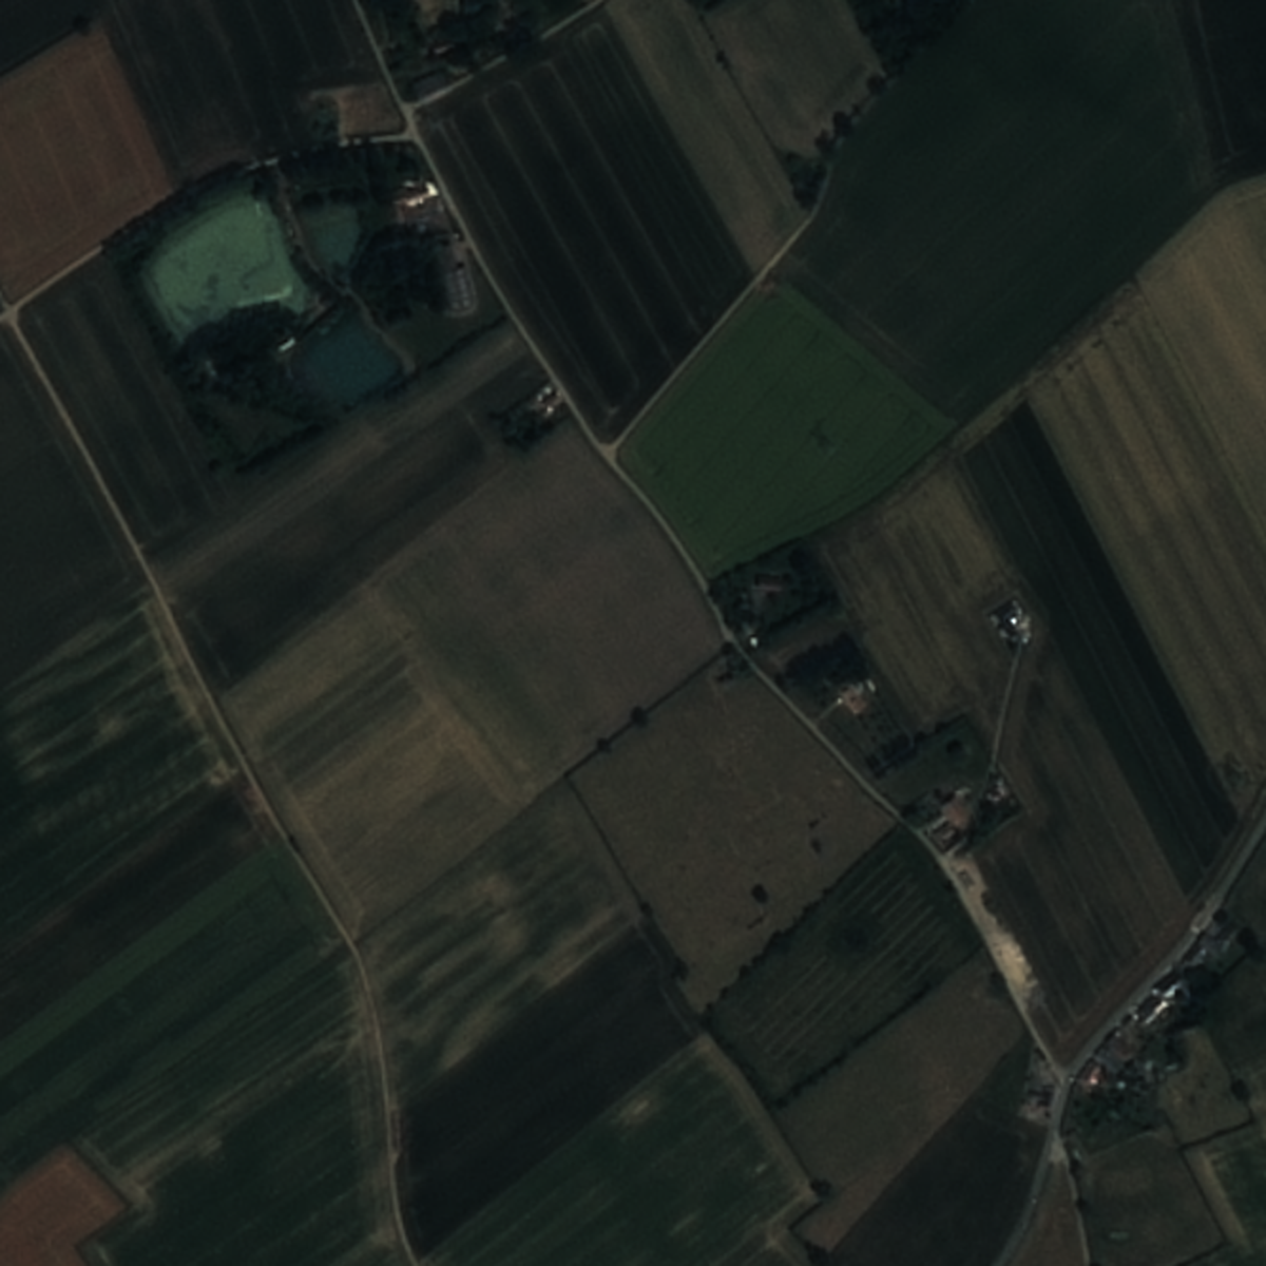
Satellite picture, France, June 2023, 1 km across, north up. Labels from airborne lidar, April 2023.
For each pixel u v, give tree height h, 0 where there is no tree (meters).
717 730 0
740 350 0
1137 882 0
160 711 0
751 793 0
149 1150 0
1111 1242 0
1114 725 0
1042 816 0
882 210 0
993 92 0
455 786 0
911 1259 0
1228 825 0
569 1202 0
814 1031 0
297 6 0
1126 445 0
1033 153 0
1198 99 0
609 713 0
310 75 0
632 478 0
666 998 0
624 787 0
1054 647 0
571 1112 0
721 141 0
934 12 21
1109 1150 0
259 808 0
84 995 0
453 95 0
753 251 0
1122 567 0
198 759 0
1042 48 0
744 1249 0
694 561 0
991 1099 0
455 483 0
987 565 0
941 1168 0
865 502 0
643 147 0
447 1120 0
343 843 0
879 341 0
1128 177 0
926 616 0
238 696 0
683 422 0
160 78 0
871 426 0
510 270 0
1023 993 0
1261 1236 0
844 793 0
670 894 0
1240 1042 0
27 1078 0
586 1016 0
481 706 0
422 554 0
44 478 0
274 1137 0
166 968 0
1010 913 0
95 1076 0
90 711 0
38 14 0
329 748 0
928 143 0
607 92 0
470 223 0
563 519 0
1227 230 0
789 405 0
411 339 0
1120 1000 0
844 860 0
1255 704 0
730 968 0
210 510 0
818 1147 0
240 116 0
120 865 0
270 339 9
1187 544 0
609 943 0
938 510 0
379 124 0
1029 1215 0
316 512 0
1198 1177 0
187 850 0
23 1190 0
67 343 0
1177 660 0
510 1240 0
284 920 0
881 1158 0
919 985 0
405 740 0
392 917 0
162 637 0
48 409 0
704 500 0
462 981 0
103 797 0
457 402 0
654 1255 0
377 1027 0
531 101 0
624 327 0
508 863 0
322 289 8
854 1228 0
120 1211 0
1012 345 0
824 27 0
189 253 0
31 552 0
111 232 0
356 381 0
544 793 0
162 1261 0
